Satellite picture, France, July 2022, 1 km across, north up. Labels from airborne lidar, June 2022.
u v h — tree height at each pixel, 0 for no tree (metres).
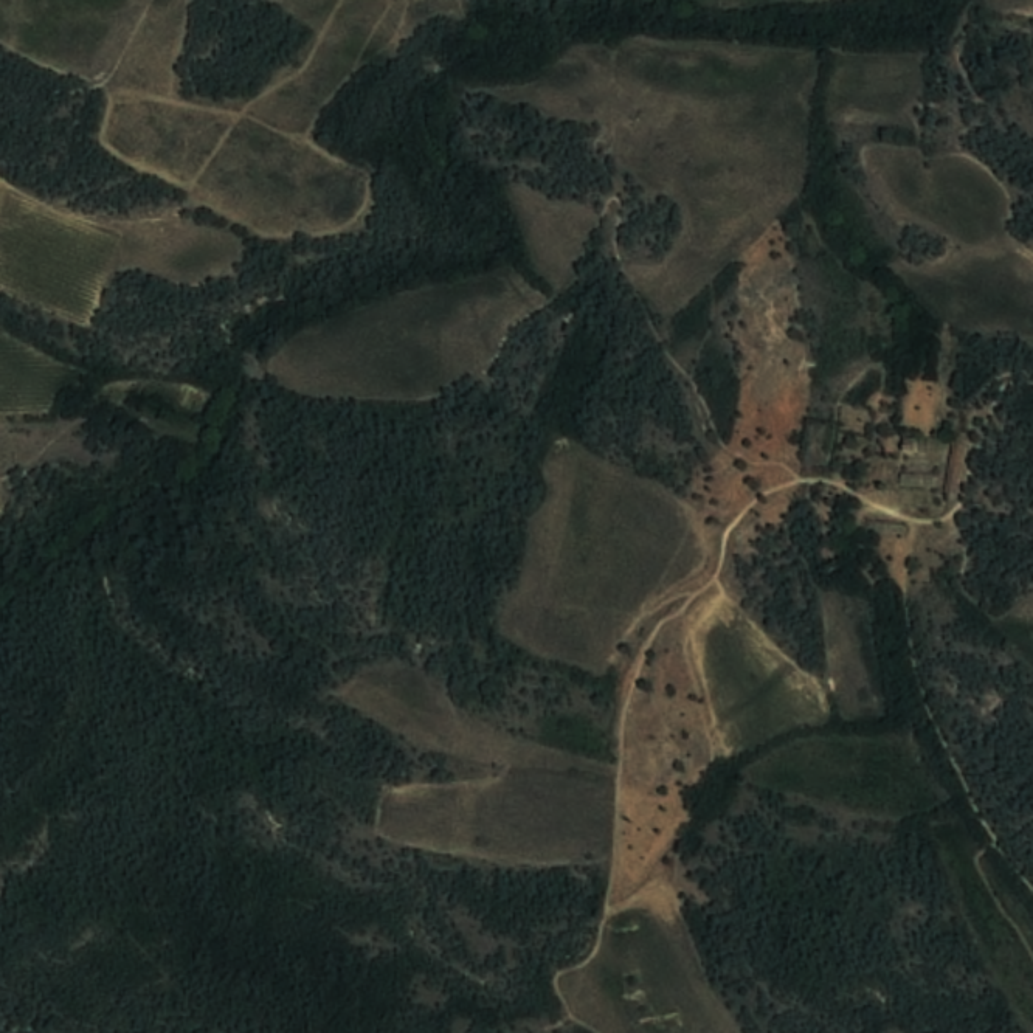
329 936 8
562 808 0
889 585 12
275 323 14
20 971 7
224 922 13
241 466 12
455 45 17
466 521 11
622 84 0
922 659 12
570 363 10
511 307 0
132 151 0
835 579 16
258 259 17
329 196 0
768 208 0
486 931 9
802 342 10
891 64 0
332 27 0
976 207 0
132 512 21
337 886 6
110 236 0
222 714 8
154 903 10
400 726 0
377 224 16
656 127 0
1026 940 0
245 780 14
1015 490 8
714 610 0
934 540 0
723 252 0
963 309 0
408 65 18
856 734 7
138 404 8
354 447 14
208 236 0
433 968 8
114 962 6
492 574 15
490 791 0
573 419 9
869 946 17
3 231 0
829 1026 6
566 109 0
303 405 16
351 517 14
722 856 8
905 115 0
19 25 0
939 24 9
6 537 19
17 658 8
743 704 0
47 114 11
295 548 11
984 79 18
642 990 0
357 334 0
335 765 13
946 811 9
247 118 0
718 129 0
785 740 7
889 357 8
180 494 11
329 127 17
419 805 0
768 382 0
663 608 0
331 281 22
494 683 12
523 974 13
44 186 9
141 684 9
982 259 0
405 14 0
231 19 15
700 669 0
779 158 0
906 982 10
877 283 12
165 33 0
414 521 10
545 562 0
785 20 20
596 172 13
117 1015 11
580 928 14
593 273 10
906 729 12
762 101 0
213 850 12
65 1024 11
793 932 19
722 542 0
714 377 17
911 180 0
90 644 10
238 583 15
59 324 8
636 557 0
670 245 14
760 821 14
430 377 0
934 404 0
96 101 13
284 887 8
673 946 0
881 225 0
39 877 9
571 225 0
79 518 18
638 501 0
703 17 13
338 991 8
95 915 8
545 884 16
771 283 0
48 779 13
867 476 11
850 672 0
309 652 8
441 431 14
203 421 13
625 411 17
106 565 8
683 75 0
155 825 15
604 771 0
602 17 11
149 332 13
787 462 0
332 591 9
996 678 13
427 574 14
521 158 14
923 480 0
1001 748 16
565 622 0
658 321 17
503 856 0
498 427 15
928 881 19
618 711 0
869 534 11
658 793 8
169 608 17
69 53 0
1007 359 13
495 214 15
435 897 7
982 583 7
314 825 9
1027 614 0
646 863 0
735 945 13
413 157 9
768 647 0
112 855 15
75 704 12
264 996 14
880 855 10
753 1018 10
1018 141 15
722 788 11
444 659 12
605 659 0
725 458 0
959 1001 12
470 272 8
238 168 0
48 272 0
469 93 0
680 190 0
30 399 0
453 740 0
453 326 0
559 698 8
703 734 0
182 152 0
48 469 14
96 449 8
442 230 16
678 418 15
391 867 12
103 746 8
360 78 12
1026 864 10
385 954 10
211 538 18
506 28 6
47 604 11
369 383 0
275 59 14
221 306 13
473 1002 7
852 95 0
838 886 18
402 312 0
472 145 8
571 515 0
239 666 10
